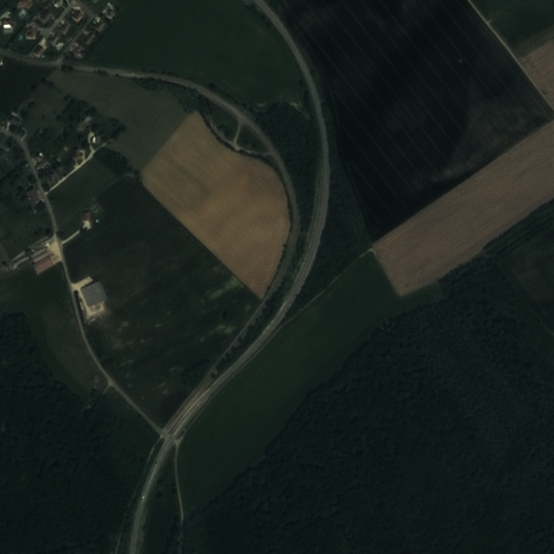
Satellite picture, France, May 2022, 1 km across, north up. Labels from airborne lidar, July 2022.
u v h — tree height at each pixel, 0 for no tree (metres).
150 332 0
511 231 6
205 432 0
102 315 0
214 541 12
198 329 0
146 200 0
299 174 13
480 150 0
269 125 15
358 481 24
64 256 0
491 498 6
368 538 17
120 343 0
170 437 0
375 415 16
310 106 18
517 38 0
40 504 20
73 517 19
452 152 0
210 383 0
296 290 0
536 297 0
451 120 0
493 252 6
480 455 18
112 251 0
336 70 0
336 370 0
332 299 0
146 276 0
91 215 0
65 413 17
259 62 0
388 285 0
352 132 0
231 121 0
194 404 0
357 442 25
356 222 22
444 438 21
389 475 27
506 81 0
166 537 0
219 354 0
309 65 0
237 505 13
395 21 0
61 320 0
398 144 0
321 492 23
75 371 0
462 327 22
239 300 0
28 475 20
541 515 8
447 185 0
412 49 0
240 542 14
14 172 8
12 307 0
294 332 0
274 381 0
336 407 21
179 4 0
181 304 0
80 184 0
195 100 18
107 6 0
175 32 0
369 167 0
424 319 15
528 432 19
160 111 0
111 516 15
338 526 7
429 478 22
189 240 0
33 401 20
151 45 0
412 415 6
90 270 0
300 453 22
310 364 0
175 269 0
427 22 0
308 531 8
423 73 0
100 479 18
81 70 0
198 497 0
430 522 19
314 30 0
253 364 0
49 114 0
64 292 0
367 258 0
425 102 0
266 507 14
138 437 0
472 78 0
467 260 0
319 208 0
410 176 0
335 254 19
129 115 0
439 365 23
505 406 24
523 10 0
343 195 19
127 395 0
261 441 0
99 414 19
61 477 16
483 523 9
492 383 22
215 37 0
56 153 0
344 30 0
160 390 0
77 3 0
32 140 6
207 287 0
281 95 0
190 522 22
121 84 0
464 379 25
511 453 9
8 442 22
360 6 0
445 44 0
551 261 0
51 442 25
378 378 24
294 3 0
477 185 0
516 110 0
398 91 0
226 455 0
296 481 26
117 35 0
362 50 0
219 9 0
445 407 20
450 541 11
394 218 0
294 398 0
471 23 0
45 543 18
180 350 0
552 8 0
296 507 24
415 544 21
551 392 20
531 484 6
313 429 24
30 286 0
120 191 0
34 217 0
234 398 0
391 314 0
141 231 0
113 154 8
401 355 23
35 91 10
